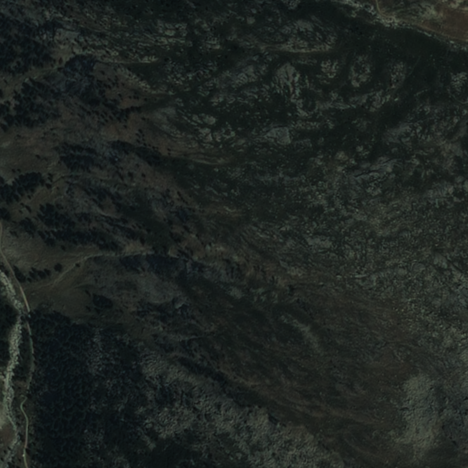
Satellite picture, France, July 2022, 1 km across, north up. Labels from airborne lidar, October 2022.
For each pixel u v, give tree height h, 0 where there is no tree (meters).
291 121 0
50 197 0
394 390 0
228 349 0
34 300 0
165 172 0
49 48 10
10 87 0
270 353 0
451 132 0
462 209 0
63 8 8
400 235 0
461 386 0
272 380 0
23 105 24
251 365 0
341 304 0
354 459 0
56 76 0
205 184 0
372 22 0
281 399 0
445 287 0
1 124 0
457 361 0
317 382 0
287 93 0
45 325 16
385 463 0
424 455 0
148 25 0
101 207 12
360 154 0
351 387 0
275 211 0
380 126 0
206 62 0
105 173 0
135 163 0
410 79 0
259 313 0
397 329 0
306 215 0
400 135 0
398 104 0
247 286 0
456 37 0
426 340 0
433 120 0
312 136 0
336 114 0
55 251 0
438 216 0
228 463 0
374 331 0
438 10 0
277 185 0
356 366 0
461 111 0
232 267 12
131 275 0
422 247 0
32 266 0
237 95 0
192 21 0
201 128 0
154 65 0
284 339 0
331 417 0
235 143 0
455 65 0
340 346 0
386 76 0
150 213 0
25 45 23
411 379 0
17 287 0
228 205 0
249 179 0
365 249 0
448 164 0
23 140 0
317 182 0
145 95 0
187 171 0
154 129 0
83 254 0
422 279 0
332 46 0
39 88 18
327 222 0
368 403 0
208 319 0
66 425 20
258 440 0
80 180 0
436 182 0
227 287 0
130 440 7
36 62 14
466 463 0
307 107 0
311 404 0
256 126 0
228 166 0
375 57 0
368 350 0
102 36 8
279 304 0
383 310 0
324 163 0
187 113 0
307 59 0
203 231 0
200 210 7
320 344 0
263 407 6
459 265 0
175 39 0
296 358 0
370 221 0
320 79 0
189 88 0
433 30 0
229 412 0
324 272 0
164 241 0
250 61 0
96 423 15
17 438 0
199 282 0
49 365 8
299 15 0
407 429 0
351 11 0
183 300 0
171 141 0
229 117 0
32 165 0
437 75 0
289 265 0
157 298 0
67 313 0
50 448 0
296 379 0
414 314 0
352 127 0
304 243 0
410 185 0
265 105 0
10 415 0
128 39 0
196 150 0
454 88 0
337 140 0
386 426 0
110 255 0
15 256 0
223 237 0
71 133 0
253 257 0
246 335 0
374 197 0
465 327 0
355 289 0
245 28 0
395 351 0
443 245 0
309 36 0
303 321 0
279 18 0
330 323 0
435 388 0
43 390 8
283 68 0
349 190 0
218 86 0
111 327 0
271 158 0
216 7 0
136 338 0
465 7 0
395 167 0
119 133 0
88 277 0
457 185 0
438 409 0
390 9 0
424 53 0
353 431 0
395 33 0
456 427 0
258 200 0
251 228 0
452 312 0
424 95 0
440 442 0
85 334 9
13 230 0
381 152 0
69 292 0
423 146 0
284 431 0
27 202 0
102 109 0
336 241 0
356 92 0
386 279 0
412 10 0
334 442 0
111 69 0
